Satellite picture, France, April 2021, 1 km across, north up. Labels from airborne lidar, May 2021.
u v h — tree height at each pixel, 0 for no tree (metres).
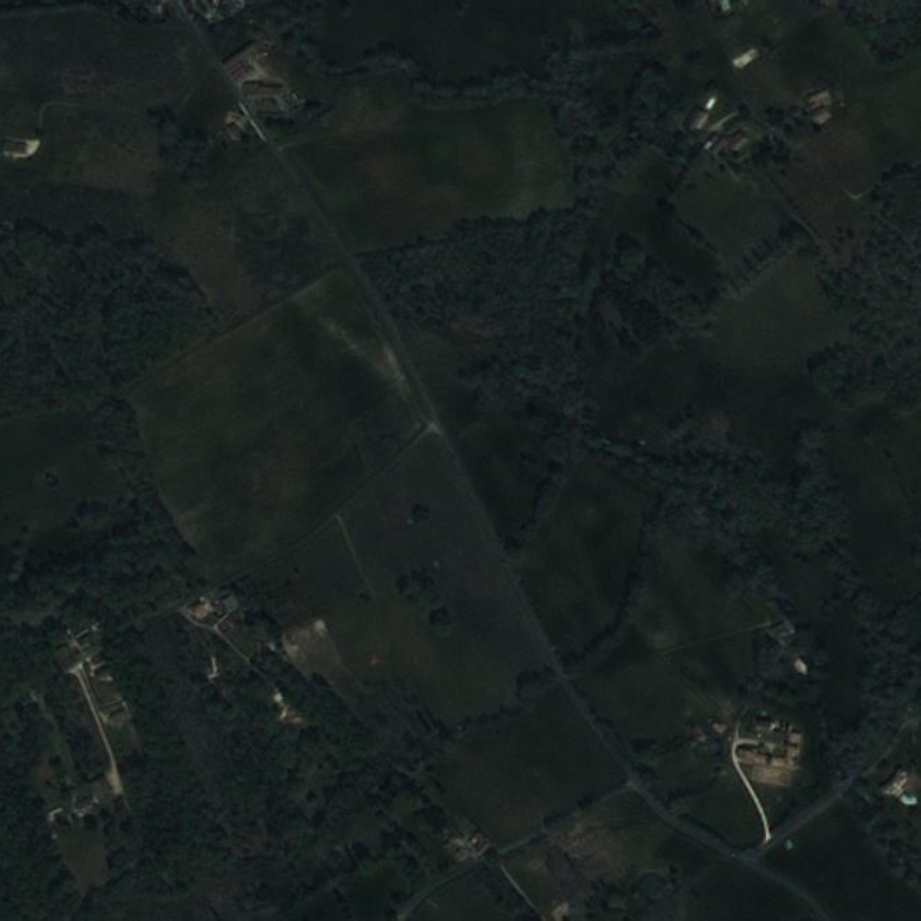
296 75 0
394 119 0
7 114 0
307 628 0
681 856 0
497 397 16
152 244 18
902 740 12
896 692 20
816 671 13
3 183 0
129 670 19
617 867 0
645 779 14
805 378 0
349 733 23
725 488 18
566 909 0
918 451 0
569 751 0
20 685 21
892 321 17
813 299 0
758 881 0
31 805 25
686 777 0
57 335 18
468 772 0
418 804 21
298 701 23
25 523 0
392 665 0
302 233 0
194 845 23
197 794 22
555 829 14
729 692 0
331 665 0
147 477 16
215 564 0
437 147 0
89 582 27
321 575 0
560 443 23
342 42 0
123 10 11
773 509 25
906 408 17
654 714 0
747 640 0
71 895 19
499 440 0
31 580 12
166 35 0
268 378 0
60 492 0
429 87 14
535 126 0
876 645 16
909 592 0
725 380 0
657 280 20
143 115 0
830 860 0
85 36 0
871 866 0
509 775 0
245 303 0
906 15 15
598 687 0
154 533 22
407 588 14
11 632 24
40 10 13
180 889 21
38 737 23
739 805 0
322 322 0
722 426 0
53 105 0
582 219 17
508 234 20
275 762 19
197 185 21
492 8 0
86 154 0
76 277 6
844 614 0
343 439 0
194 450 0
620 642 13
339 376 0
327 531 0
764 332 0
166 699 20
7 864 24
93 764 13
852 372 7
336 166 0
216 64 0
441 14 0
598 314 17
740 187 0
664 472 19
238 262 0
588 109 23
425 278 16
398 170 0
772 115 10
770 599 18
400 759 21
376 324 0
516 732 0
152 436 0
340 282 0
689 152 6
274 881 0
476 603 0
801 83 0
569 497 0
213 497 0
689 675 0
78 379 21
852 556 11
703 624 0
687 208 0
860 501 0
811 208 0
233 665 18
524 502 0
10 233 8
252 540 0
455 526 0
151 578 28
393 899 0
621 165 17
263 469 0
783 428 0
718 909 0
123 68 0
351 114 0
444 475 0
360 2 0
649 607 0
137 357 23
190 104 0
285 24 19
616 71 0
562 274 17
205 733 11
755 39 0
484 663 0
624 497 0
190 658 12
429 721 0
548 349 20
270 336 0
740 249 0
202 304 25
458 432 0
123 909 17
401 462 0
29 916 19
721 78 0
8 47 0
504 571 0
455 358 0
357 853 0
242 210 0
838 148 0
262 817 17
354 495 0
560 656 9
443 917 0
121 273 10
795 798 0
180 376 0
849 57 0
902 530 0
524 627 0
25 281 18
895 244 19
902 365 12
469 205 0
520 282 22
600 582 0
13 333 17
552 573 0
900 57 20
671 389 0
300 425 0
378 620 0
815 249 16
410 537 0
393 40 0
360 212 0
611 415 0
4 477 0
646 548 8
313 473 0
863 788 14
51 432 0
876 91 0
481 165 0
